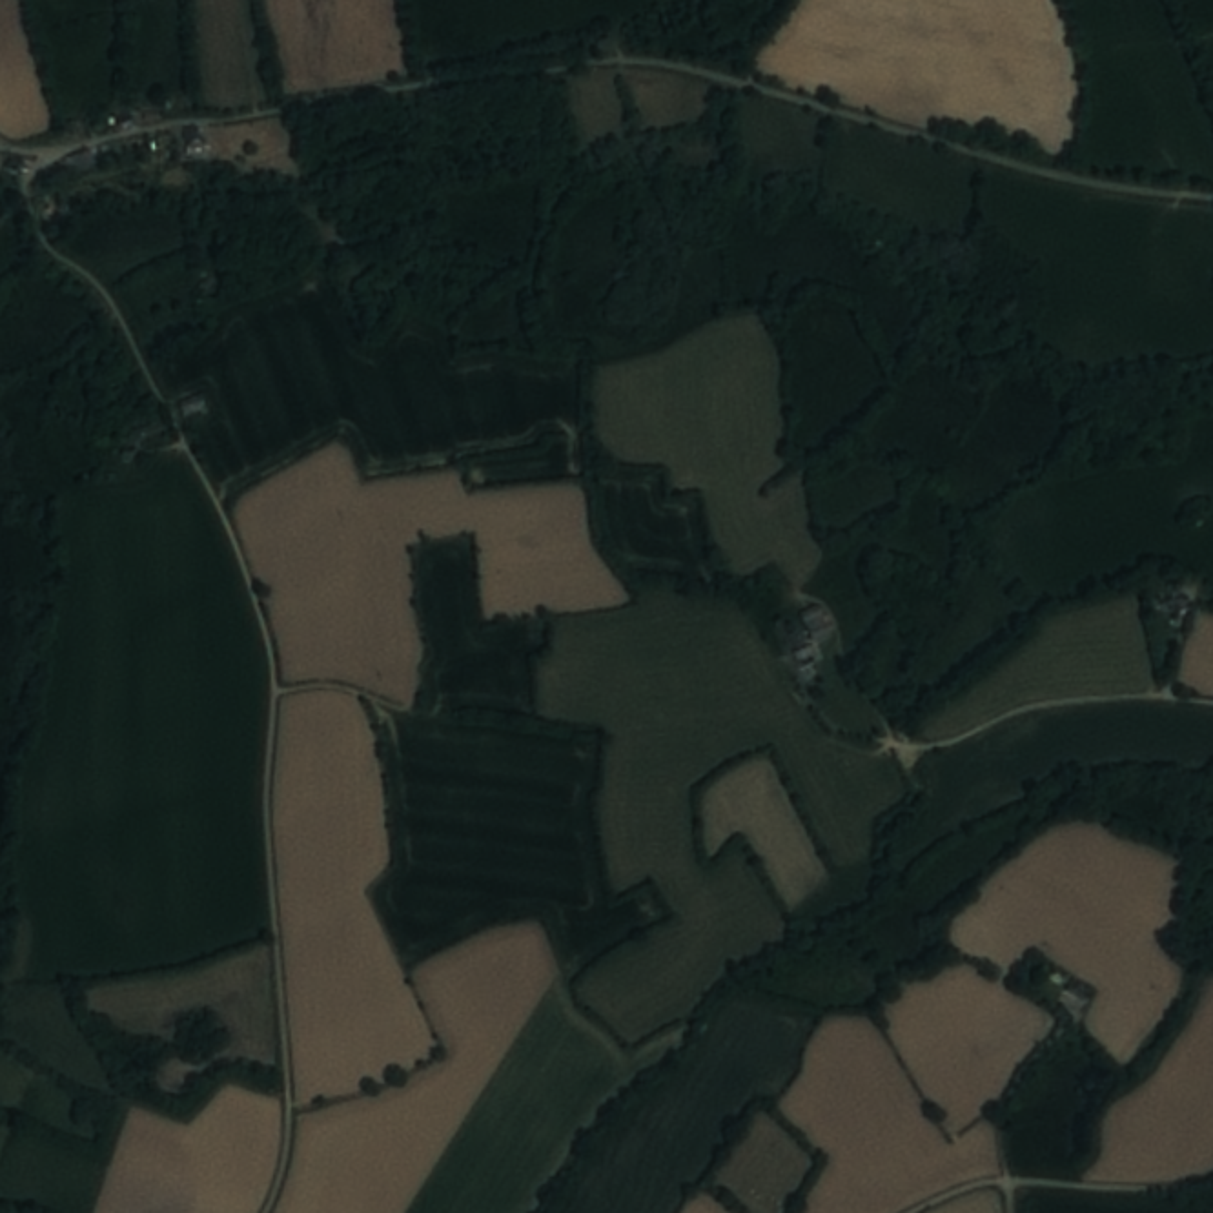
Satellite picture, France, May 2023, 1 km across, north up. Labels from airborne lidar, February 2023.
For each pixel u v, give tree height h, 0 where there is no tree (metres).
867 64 0
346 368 0
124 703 0
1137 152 0
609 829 0
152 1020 0
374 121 22
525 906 0
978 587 0
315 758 0
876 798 0
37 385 0
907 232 9
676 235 9
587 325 0
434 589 0
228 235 13
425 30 0
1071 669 0
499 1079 0
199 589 0
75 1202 0
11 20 0
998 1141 0
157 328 0
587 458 10
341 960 0
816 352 0
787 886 0
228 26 0
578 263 0
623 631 0
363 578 0
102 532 0
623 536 0
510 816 0
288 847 0
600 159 15
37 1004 0
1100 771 11
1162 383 17
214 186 11
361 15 0
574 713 0
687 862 0
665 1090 0
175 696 0
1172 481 0
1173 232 0
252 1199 0
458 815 0
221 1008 0
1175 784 15
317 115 19
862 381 0
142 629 0
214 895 0
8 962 14
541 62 16
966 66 0
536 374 0
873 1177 0
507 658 0
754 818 0
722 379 0
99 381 14
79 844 0
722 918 0
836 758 0
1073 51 16
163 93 12
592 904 0
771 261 0
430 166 7
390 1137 0
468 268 7
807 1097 0
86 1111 11
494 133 12
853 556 0
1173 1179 0
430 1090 0
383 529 0
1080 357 0
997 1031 0
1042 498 0
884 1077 0
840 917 12
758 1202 0
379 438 0
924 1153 0
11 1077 0
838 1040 0
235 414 0
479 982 0
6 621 0
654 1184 0
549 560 0
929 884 0
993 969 15
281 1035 0
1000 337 16
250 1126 0
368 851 0
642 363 0
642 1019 0
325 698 0
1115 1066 14
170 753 0
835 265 0
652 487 0
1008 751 0
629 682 0
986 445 0
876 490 0
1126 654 0
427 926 0
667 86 0
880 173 0
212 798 0
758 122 0
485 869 0
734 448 0
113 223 0
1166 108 0
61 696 0
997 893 0
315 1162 0
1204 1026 0
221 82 0
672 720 0
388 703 0
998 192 0
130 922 0
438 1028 0
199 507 0
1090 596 18
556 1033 0
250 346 0
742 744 0
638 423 0
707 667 0
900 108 0
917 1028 0
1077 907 0
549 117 21
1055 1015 8
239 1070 8
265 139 0
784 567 0
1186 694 9
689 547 0
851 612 0
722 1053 0
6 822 14
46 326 0
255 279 10
